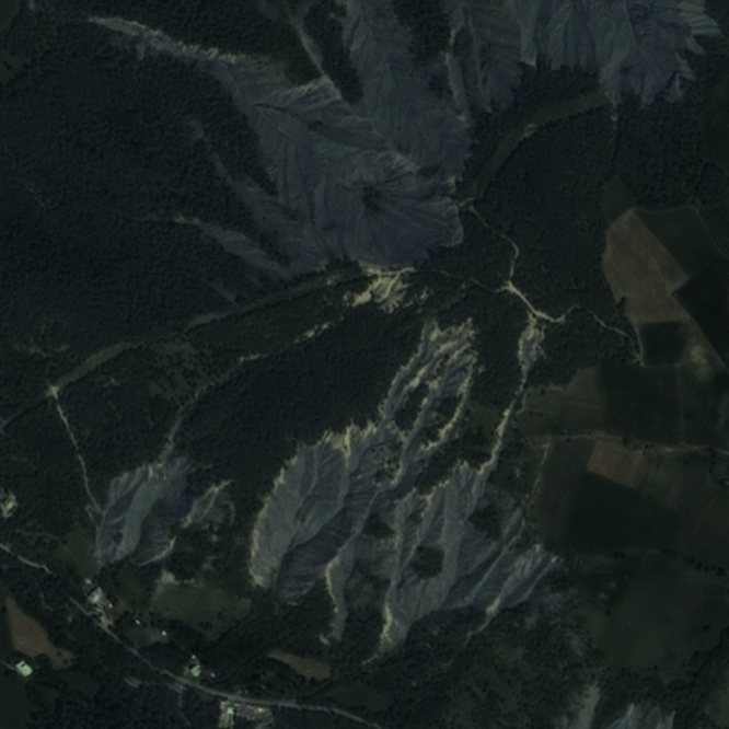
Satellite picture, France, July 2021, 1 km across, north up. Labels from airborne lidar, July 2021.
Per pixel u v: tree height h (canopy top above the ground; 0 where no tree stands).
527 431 0
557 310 9
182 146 7
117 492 0
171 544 0
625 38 0
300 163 0
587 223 10
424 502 0
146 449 7
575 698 0
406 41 0
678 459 0
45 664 8
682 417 0
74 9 8
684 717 16
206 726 14
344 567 0
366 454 0
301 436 6
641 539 0
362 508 0
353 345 8
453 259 10
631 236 0
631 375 0
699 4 0
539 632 5
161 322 9
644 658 0
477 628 7
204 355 9
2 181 13
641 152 13
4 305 9
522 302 7
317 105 0
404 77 0
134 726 8
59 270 15
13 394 6
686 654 0
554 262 14
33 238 16
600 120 12
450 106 0
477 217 11
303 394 8
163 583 0
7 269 9
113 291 17
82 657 14
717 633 0
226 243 0
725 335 0
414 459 0
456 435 0
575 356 8
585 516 0
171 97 14
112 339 8
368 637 7
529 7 0
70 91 15
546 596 0
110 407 11
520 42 0
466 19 0
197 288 10
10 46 9
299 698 9
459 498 0
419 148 0
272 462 9
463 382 0
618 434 0
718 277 0
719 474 0
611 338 10
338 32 7
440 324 6
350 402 6
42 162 10
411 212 0
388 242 0
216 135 6
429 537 0
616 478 0
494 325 7
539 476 0
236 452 12
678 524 0
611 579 0
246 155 9
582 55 0
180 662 15
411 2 8
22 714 0
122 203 12
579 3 0
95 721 15
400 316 7
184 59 0
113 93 17
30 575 10
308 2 0
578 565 0
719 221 0
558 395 0
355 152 0
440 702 10
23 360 8
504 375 9
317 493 0
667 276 0
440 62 0
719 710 0
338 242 0
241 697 0
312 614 6
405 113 0
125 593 0
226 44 6
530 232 10
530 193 14
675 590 0
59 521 10
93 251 16
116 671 12
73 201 11
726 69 9
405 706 12
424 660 9
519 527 0
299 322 9
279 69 0
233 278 8
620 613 0
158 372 7
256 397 11
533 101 13
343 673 12
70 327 7
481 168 8
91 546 0
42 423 7
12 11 0
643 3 0
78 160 7
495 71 0
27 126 10
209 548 7
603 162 11
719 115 0
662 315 0
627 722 0
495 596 0
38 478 8
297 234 0
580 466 0
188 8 10
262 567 0
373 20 0
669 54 0
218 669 13
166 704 13
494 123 10
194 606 0
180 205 9
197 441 8
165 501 0
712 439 0
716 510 0
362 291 7
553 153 13
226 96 10
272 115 0
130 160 8
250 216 7
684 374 0
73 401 10
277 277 0
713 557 0
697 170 12
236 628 9
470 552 0
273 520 0
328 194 0
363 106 0
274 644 9
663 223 0
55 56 13
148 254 11
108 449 11
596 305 14
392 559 0
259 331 7
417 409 7
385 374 6
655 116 11
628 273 0
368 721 12
